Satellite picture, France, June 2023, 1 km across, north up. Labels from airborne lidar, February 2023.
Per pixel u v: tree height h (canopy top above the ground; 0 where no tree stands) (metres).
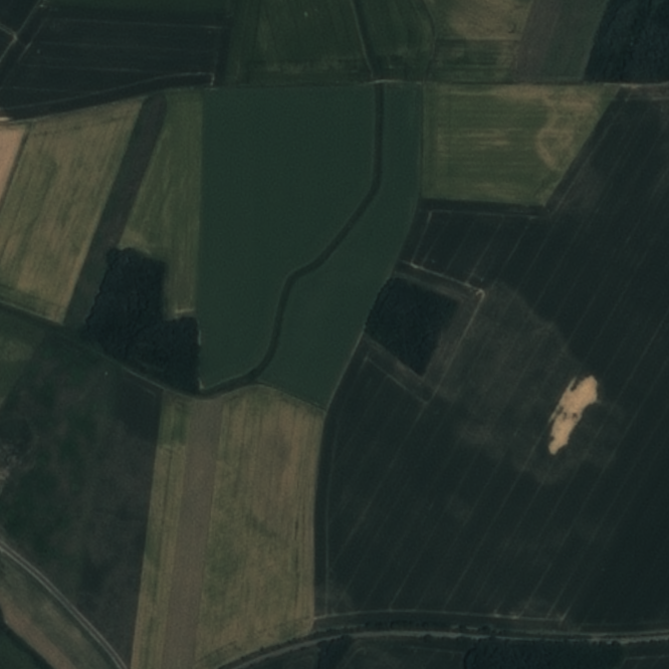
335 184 0
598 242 0
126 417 0
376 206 0
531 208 0
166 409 0
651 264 0
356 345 0
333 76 0
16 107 0
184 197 0
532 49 0
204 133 0
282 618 0
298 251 0
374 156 0
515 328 0
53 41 0
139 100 0
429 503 0
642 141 0
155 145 0
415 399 0
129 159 0
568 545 0
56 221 0
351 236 0
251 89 0
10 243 0
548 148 0
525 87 0
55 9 0
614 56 10
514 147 0
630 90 0
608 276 0
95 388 0
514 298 0
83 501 0
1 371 0
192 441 0
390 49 0
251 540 0
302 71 0
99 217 0
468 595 0
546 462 0
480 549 0
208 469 0
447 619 0
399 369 0
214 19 0
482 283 0
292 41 0
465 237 0
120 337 13
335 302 0
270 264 0
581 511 0
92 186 0
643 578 0
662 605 0
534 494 0
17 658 0
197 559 0
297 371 0
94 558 0
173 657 0
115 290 18
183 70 0
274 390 0
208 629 0
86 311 0
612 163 0
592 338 0
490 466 0
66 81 0
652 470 0
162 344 18
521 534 0
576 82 0
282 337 0
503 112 0
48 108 0
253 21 0
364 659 0
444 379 0
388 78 0
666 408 0
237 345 0
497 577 0
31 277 0
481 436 0
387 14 0
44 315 0
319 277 0
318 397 0
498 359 0
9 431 0
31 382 0
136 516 0
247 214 0
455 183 0
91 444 0
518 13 0
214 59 0
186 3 0
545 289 0
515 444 0
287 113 0
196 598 0
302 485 0
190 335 17
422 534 0
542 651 18
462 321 0
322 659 10
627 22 16
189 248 0
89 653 0
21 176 0
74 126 0
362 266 0
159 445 0
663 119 0
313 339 0
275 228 0
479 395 0
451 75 0
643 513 0
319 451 0
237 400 0
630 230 0
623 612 0
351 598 0
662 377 0
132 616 0
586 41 0
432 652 0
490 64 0
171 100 0
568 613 0
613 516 0
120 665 0
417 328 12
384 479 0
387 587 0
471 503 0
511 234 0
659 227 0
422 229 0
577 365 0
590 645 14
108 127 0
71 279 0
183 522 0
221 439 0
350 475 0
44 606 0
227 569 0
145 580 0
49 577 0
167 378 10
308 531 0
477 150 0
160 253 0
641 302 0
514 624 0
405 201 0
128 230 0
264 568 0
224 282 0
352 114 0
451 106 0
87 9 0
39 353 0
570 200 0
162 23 0
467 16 0
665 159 0
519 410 0
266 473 0
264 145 0
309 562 0
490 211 0
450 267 0
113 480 0
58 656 0
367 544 0
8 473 0
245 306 0
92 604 0
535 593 0
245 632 0
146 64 0
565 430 0
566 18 0
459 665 0
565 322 0
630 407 0
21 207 0
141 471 0
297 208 0
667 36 17
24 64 0
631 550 0
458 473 0
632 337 0
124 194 0
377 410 0
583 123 0
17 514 0
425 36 0
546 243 0
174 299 0
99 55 0
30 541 0
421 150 0
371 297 0
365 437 0
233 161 0
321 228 0
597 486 0
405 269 0
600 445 0
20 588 0
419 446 0
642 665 0
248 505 0
